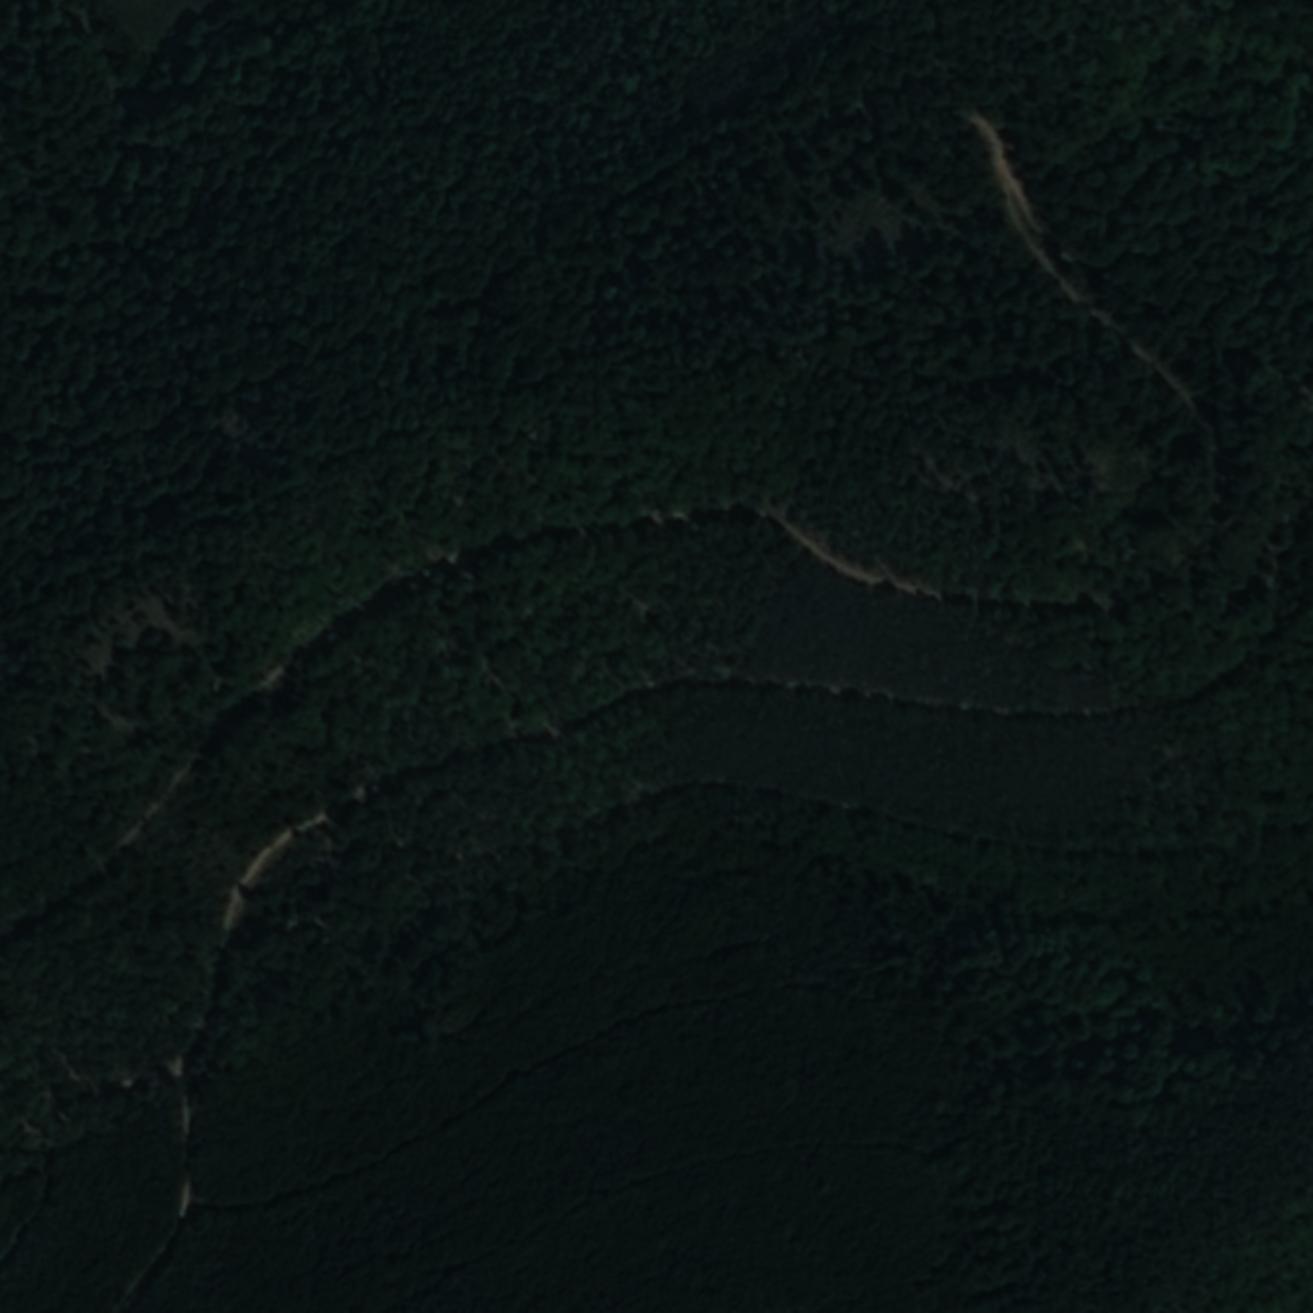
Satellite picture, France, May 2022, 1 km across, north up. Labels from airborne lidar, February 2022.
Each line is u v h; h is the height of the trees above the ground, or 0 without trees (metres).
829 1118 14
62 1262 11
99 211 38
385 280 35
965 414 34
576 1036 13
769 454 34
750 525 26
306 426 33
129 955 28
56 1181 13
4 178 33
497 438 25
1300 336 33
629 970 10
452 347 31
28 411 43
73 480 41
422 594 32
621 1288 10
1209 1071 37
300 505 22
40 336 39
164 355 40
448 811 28
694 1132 14
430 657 32
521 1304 12
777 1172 12
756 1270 12
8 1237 9
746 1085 15
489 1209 14
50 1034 29
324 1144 11
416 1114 18
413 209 34
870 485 24
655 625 29
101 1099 28
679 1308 10
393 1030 22
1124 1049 39
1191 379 34
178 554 29
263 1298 16
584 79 29
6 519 36
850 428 28
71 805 28
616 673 31
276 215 40
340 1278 19
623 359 24
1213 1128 27
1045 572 33
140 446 40
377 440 27
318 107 36
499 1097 12
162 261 42
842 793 21
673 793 17
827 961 14
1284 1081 31
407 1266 16
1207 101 39
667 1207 12
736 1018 10
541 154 32
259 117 41
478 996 11
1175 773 24
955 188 35
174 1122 11
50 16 26
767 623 16
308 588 31
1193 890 31
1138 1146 31
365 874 32
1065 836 20
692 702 18
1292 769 38
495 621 31
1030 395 36
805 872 11
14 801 30
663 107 26
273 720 32
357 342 32
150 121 36
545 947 17
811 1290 11
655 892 14
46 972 30
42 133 36
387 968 36
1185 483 34
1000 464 22
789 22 17
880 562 25
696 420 26
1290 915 14
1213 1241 23
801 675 11
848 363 32
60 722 35
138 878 15
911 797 21
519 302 36
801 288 31
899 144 34
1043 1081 35
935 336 36
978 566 24
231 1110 10
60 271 34
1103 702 16
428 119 32
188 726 24
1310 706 34
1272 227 35
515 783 29
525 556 30
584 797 24
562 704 19
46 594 33
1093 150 37
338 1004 10
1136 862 31
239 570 25
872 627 18
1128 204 41
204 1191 9
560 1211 12
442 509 30
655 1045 10
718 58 20
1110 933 33
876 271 40
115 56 22
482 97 34
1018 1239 15
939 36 29
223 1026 45
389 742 32
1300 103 36
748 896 10
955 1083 9
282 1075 13
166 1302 11
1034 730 17
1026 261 36
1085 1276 28
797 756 19
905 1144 10
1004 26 28
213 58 34
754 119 35
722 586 27
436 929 34
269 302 37
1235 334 34
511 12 30
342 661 33
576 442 26
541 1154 13
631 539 28
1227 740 25
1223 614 33
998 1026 11
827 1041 13
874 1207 15
